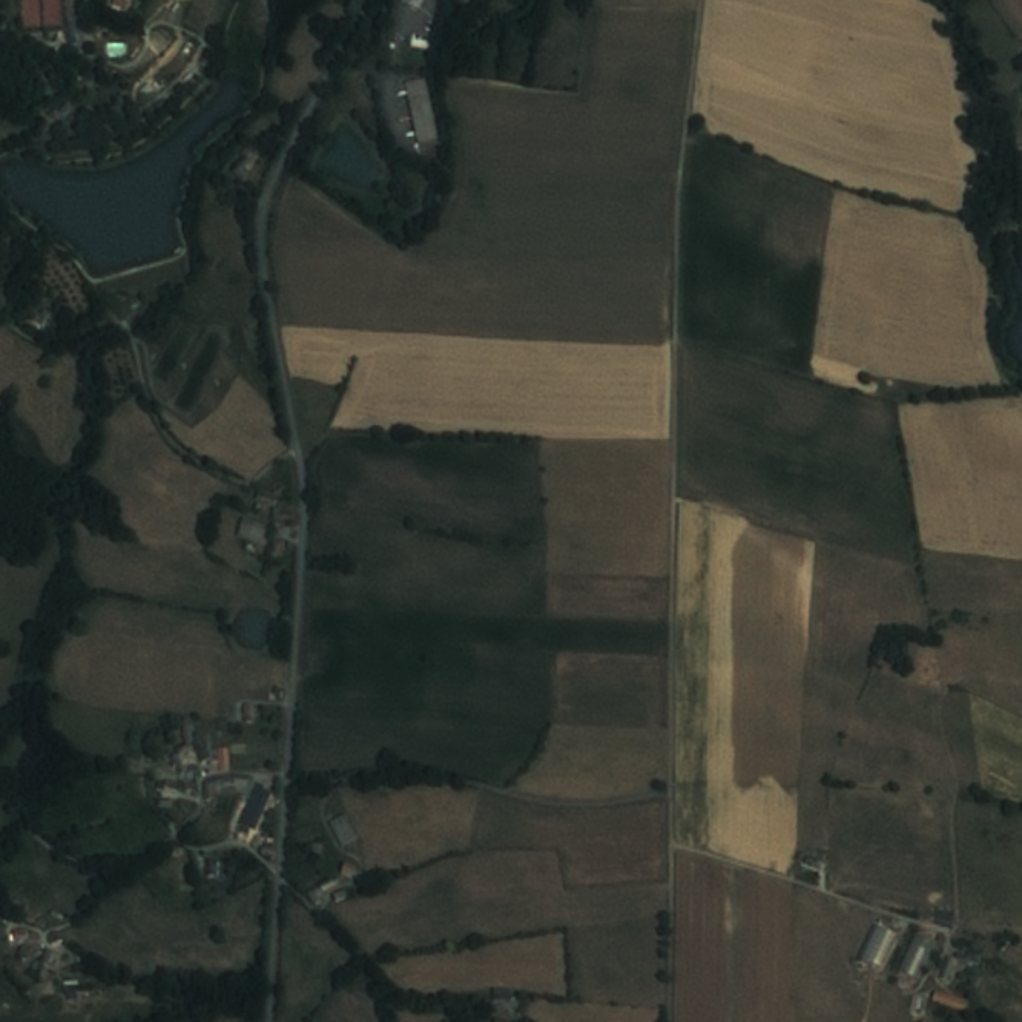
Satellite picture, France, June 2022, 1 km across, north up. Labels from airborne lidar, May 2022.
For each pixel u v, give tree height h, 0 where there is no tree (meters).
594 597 0
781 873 0
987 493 0
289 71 11
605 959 0
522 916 0
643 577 0
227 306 0
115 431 0
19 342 0
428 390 0
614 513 0
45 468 20
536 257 0
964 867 0
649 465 0
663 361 0
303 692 0
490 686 0
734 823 0
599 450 0
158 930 0
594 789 0
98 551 0
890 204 8
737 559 0
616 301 0
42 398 0
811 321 0
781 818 0
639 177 0
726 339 0
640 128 0
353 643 0
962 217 18
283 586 12
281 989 10
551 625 0
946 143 0
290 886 6
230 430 0
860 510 0
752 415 0
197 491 0
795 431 0
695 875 0
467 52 15
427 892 0
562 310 0
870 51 0
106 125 14
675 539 0
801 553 0
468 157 0
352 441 0
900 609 0
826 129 0
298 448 0
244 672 0
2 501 27
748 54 0
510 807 0
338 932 16
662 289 0
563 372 0
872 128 0
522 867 0
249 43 0
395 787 18
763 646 0
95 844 0
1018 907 0
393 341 0
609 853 0
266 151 16
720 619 0
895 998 0
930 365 0
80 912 14
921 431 0
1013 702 0
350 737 0
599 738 0
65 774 30
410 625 0
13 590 0
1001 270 17
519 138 0
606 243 0
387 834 0
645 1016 0
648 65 0
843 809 0
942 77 0
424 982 0
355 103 0
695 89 0
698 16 0
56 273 6
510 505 0
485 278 0
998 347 12
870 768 0
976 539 0
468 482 0
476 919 0
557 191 0
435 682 0
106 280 0
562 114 0
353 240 0
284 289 0
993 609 0
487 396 0
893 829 0
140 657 0
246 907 0
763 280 0
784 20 0
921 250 0
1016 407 0
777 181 0
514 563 0
